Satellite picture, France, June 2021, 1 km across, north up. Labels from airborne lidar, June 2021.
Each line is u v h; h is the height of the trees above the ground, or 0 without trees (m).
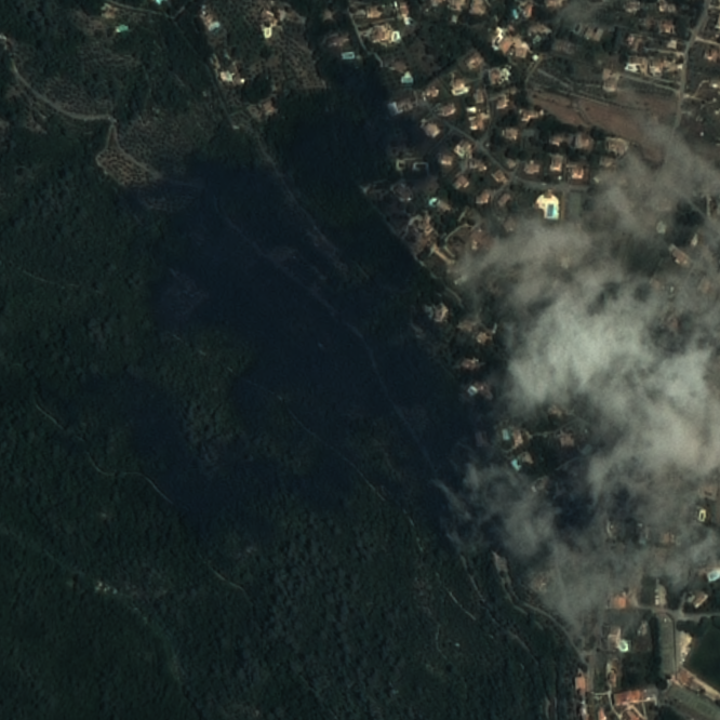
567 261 0
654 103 0
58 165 8
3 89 9
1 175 6
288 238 7
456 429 11
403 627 6
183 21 16
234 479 10
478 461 6
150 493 9
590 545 15
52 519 15
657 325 7
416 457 6
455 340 8
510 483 7
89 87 19
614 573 7
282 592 19
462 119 7
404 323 6
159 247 14
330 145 14
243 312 6
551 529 10
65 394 15
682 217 13
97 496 8
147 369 8
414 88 10
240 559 8
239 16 7
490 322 13
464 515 9
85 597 16
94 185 10
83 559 7
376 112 10
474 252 9
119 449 12
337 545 6
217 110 6
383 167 10
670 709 13
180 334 8
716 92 0
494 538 11
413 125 11
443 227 10
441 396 7
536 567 11
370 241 10
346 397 6
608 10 6
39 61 7
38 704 7
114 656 10
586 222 9
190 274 7
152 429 13
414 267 13
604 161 0
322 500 9
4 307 7
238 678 20
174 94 15
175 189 8
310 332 8
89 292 8
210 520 11
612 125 0
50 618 12
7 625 16
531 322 17
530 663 10
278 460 10
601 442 6
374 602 10
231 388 9
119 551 10
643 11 14
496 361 11
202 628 7
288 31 6
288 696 12
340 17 10
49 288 6
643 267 0
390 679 9
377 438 7
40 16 9
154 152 5
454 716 13
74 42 12
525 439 11
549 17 12
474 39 10
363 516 6
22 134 10
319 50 11
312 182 11
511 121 9
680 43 7
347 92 7
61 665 19
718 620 13
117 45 10
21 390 24
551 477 8
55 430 11
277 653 14
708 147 0
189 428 19
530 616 11
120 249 9
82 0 16
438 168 12
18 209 9
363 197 10
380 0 5
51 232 6
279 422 7
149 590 9
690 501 14
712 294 0
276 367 7
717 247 15
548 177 9
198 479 11
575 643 6
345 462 6
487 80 9
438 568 12
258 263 6
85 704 15
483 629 20
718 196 9
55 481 12
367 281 9
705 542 10
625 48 6
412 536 9
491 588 9
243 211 8
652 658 7
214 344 8
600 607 0
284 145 12
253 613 8
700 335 16
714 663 0
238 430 10
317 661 9
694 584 11
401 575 12
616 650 7
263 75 8
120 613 13
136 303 10
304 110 12
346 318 21
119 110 11
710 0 0
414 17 10
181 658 7
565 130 12
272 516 11
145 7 7
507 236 8
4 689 16
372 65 14
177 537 12
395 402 9
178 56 9
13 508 6
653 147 0
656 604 0
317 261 13
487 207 12
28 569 13
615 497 8
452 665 7
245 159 13
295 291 8
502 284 14
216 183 12
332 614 7
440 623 8
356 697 11
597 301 8
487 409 11
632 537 14
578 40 11
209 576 12
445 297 12
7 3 10
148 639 9
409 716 32
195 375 7
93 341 9
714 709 0
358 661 9
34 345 18
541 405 8
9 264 6
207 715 25
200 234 5
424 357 10
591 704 9
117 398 7
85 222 6
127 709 16
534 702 8
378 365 7
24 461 18
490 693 8
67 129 6
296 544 9
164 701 16
